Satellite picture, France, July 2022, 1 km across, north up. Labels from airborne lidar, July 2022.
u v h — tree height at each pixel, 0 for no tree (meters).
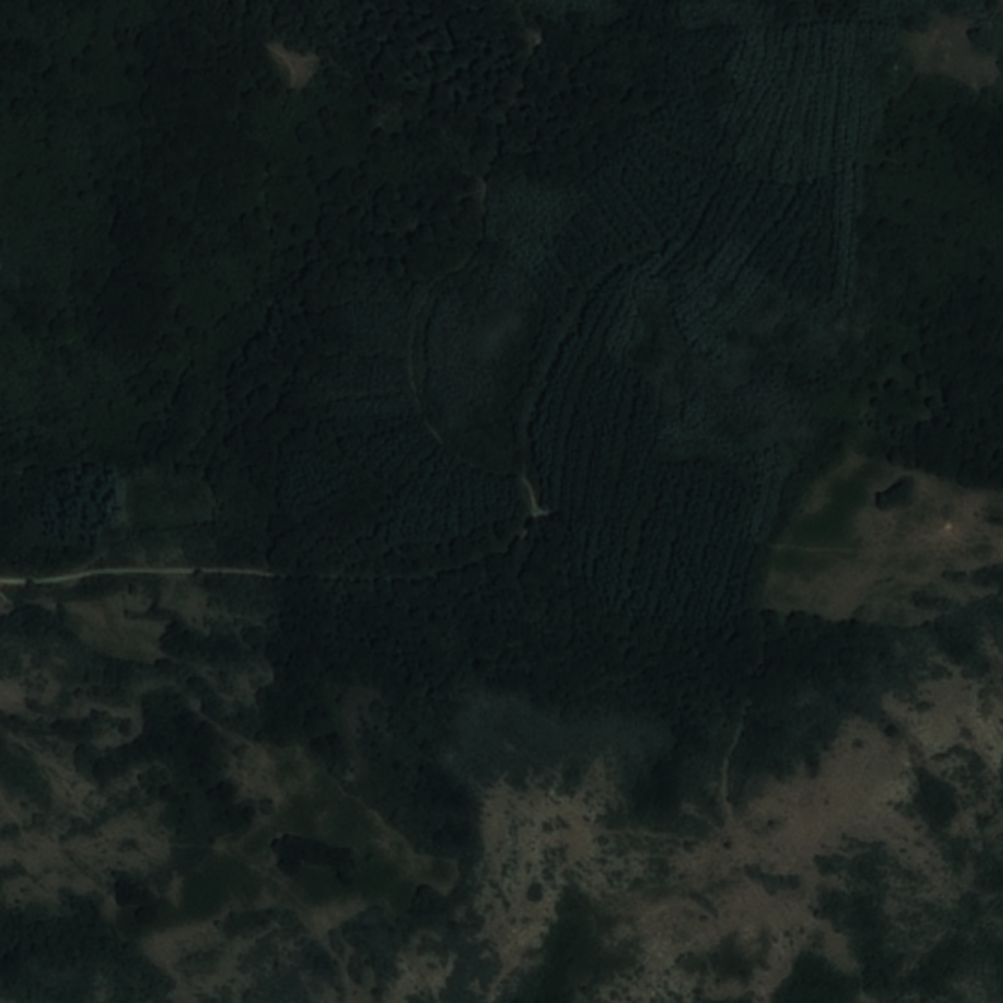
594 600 15
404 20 19
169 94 18
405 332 6
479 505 16
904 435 12
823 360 6
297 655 17
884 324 6
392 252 25
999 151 16
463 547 21
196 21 19
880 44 13
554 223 9
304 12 17
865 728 0
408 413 14
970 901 6
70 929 7
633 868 0
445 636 11
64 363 9
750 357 6
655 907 0
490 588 18
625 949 0
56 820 0
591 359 10
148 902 10
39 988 6
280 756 0
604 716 6
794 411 8
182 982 0
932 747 0
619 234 16
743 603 17
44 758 0
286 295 19
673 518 16
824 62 9
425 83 21
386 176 8
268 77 17
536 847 0
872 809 0
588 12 10
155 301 22
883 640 6
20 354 7
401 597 16
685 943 0
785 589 0
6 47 18
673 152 12
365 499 19
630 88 8
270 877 0
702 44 14
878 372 9
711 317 15
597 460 17
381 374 12
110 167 7
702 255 12
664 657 16
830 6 14
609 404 16
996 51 6
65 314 15
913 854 0
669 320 6
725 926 0
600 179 19
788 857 0
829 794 0
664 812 6
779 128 9
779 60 13
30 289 12
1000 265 8
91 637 0
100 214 7
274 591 12
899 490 16
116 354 13
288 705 15
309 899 0
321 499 16
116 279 17
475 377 9
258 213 20
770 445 6
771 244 17
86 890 0
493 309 6
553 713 7
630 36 9
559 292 20
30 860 0
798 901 0
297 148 7
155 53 18
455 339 10
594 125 10
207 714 8
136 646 0
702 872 0
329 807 0
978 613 6
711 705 15
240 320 9
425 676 7
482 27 18
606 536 16
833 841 0
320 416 9
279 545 19
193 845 0
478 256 8
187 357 7
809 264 15
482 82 19
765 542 6
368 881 0
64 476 19
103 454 9
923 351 17
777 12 12
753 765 6
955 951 6
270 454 21
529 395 18
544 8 10
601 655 15
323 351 6
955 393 20
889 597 0
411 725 7
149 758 9
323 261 21
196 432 10
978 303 20
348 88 10
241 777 0
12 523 15
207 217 11
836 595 0
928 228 5
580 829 0
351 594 12
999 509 0
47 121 6
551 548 21
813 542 0
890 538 0
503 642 13
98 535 16
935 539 0
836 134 12
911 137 11
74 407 6
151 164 17
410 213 18
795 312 10
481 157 16
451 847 7
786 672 15
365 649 14
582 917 0
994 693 0
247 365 20
